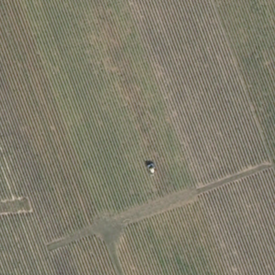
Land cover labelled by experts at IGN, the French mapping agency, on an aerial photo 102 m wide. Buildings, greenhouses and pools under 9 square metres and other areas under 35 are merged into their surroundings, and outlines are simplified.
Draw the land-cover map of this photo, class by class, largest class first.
<instances>
[{"label":"vineyard","instance_id":"1","mask_svg":"<svg viewBox=\"0 0 275 275\"><path fill-rule=\"evenodd\" d=\"M0 275H275V0H0Z\"/></svg>","mask_w":275,"mask_h":275}]
</instances>
